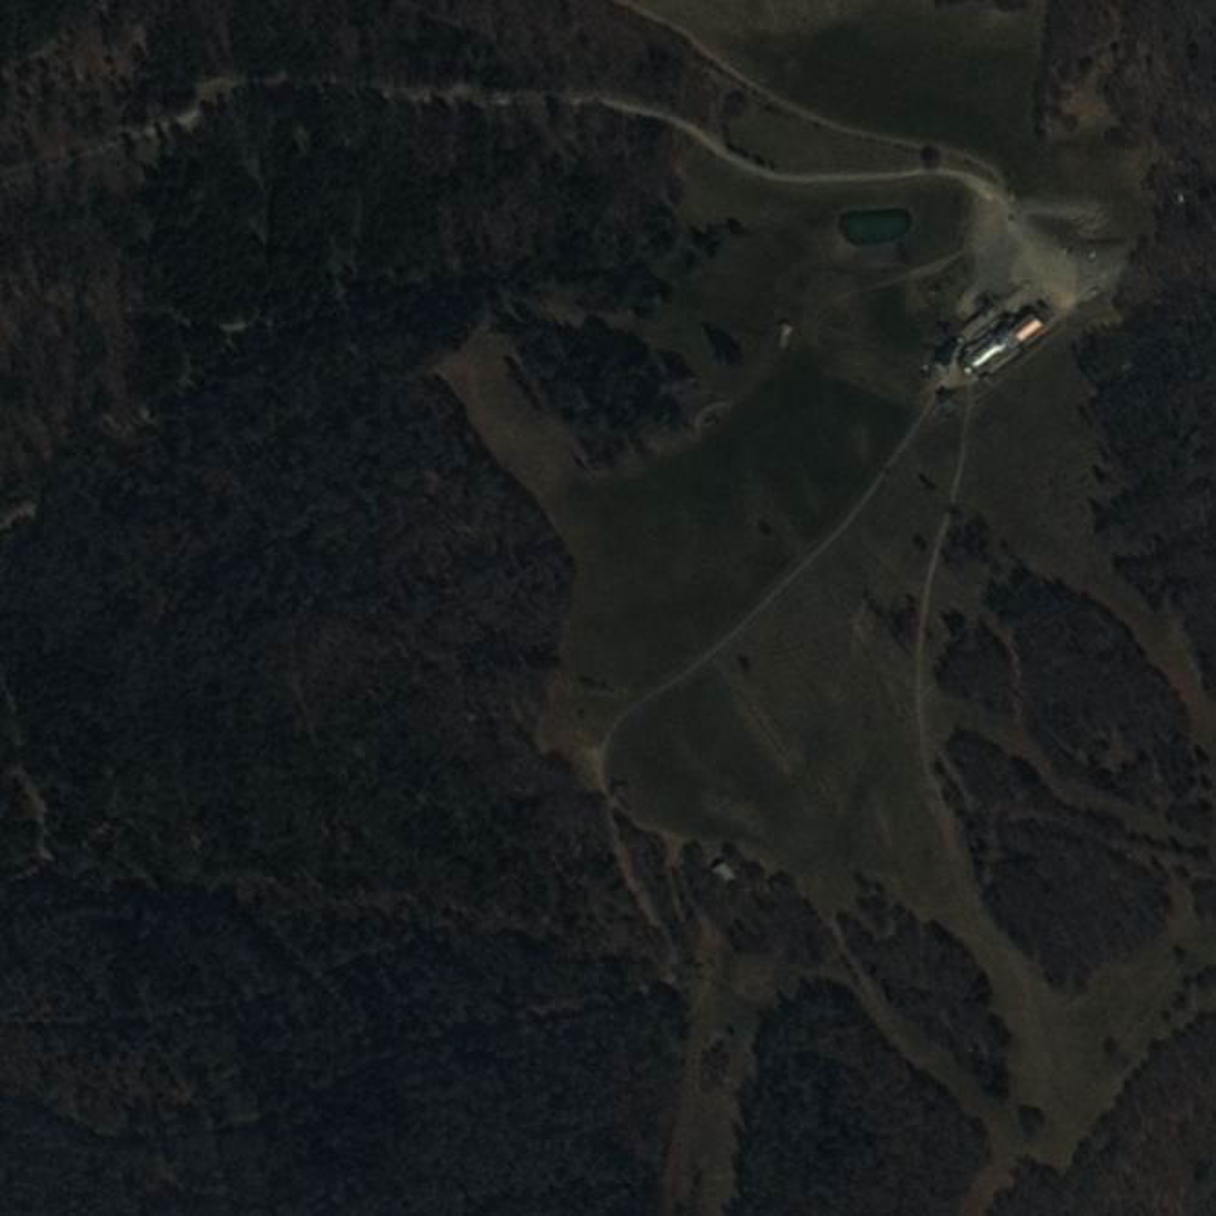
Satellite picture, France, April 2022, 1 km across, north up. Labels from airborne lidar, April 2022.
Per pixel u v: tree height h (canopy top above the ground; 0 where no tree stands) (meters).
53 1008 8
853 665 0
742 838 0
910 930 15
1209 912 9
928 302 0
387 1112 16
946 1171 18
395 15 20
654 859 15
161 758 19
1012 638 0
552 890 24
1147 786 10
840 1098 21
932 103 0
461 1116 22
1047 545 0
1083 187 0
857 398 0
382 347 21
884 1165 30
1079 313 0
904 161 0
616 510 0
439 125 24
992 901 11
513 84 14
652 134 22
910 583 0
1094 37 11
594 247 29
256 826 30
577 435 8
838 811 0
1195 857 10
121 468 26
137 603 12
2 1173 21
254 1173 23
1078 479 0
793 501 0
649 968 15
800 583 0
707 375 0
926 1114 16
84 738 21
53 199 22
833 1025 20
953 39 0
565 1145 20
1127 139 15
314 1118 18
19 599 21
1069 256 0
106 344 22
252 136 26
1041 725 15
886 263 0
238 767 24
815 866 0
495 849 10
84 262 23
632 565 0
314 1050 32
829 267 0
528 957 24
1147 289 18
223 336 25
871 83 0
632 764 0
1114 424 7
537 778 20
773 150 0
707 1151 0
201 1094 32
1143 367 12
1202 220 17
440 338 27
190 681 17
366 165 27
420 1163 13
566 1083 22
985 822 15
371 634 19
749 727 0
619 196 20
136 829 14
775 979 0
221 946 26
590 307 10
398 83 13
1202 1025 10
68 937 33
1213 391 21
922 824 0
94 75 18
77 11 21
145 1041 31
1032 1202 18
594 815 22
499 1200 7
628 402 20
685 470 0
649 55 16
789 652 0
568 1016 23
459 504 8
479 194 25
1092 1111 0
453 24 15
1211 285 26
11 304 21
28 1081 29
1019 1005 0
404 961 28
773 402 0
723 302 0
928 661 0
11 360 23
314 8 20
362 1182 19
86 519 23
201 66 22
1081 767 15
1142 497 8
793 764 0
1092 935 15
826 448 0
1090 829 14
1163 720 12
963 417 0
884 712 0
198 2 19
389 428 25
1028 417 0
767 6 0
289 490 25
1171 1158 19
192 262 25
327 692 16
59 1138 20
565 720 0
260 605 14
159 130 0
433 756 8
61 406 18
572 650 0
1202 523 9
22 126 23
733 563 0
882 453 0
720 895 18
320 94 20
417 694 20
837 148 0
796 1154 15
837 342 0
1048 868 13
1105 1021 0
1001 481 0
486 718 19
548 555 23
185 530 7
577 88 14
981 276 0
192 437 28
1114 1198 16
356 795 21
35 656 17
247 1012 24
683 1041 12
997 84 0
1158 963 0
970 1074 8
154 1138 22
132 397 16
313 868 10
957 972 17
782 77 0
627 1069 22
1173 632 0
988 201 0
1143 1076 13
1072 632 12
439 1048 20
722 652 0
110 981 25
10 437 19
